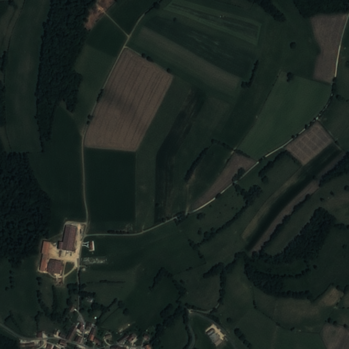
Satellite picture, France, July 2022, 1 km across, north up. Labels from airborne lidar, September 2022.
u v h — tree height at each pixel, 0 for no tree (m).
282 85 0
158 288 0
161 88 0
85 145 0
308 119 0
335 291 0
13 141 0
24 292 0
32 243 17
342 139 0
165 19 0
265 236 0
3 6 0
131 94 0
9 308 0
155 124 0
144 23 0
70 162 0
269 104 0
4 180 26
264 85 0
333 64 0
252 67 0
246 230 0
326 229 25
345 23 0
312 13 16
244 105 0
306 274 22
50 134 16
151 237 0
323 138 0
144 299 0
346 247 15
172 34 0
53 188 0
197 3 0
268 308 0
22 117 0
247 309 0
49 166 0
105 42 0
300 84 0
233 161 0
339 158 0
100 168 0
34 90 0
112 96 0
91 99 0
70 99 18
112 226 0
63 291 0
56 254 0
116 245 0
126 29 0
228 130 0
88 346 8
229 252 0
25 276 0
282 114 0
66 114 0
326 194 0
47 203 26
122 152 0
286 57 0
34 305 0
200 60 0
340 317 0
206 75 0
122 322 0
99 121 0
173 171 0
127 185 0
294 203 0
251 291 0
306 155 0
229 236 0
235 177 14
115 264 0
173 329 0
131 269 0
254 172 0
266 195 0
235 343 0
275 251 0
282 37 0
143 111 0
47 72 21
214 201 0
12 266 6
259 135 0
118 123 0
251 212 0
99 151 0
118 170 0
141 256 0
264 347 0
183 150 0
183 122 0
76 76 21
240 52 0
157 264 0
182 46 0
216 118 0
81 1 18
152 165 0
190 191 0
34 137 0
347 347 0
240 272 0
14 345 12
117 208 0
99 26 0
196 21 0
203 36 0
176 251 0
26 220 24
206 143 0
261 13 0
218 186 0
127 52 0
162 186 0
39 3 0
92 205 0
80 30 26
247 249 0
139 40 0
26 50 0
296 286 0
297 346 0
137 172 0
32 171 16
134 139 0
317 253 20
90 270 0
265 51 0
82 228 0
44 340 0
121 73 0
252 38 0
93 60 0
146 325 0
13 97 0
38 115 9
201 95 0
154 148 0
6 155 18
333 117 0
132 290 0
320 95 0
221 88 0
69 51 20
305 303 0
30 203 28
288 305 0
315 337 0
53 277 0
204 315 8
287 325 0
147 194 0
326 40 0
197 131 0
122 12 0
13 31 0
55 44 22
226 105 0
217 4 0
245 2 0
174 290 0
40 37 0
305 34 0
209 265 0
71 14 22
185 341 0
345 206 0
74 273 0
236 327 0
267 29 0
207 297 0
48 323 0
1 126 17
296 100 0
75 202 0
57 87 21
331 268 0
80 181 0
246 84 13
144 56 12
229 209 0
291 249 23
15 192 27
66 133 0
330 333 0
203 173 0
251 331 0
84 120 0
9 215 24
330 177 16
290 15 0
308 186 0
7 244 10
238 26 0
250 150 0
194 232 0
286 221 17
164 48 0
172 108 0
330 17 0
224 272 21
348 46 0
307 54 0
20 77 0
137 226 0
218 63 0
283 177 0
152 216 0
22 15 0
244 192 17
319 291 0
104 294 0
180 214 11
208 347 0
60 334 0
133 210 0
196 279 0
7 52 11
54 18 22
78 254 0
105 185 0
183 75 0
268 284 22
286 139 0
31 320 0
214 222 0
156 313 0
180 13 0
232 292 0
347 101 10
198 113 0
